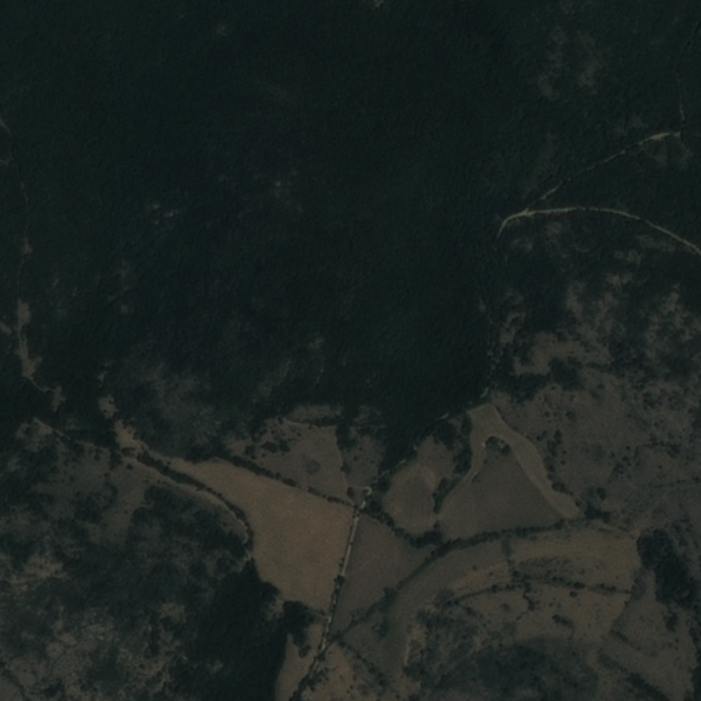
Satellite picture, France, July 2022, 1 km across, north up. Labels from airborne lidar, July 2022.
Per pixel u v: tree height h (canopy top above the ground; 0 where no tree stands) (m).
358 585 0
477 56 14
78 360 14
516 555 0
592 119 7
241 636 8
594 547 0
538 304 6
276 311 6
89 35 7
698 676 10
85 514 6
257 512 0
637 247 6
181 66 8
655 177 7
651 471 0
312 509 0
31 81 12
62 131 12
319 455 0
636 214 7
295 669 0
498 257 7
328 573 0
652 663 0
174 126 9
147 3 8
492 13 7
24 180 7
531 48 8
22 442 8
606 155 9
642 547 7
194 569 6
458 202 10
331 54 10
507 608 0
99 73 11
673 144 7
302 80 7
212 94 8
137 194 7
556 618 8
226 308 6
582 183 7
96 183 11
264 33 8
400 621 0
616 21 6
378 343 9
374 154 9
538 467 0
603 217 7
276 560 0
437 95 10
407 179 6
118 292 7
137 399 6
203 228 6
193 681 7
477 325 8
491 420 0
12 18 11
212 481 0
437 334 12
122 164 8
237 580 12
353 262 8
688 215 7
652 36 8
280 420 6
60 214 9
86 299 6
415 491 0
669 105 6
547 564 0
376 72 9
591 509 7
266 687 14
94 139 12
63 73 12
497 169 7
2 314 7
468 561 0
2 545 6
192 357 7
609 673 0
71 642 0
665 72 10
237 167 7
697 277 6
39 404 16
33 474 7
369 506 6
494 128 9
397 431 10
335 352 7
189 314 8
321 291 10
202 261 8
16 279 7
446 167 11
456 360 9
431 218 9
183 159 7
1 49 9
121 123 10
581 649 0
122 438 0
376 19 8
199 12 7
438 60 11
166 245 7
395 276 13
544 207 6
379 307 10
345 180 8
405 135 10
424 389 15
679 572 8
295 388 7
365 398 6
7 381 9
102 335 7
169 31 8
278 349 6
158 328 6
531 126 8
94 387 8
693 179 7
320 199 5
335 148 6
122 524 0
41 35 11
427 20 9
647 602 0
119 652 0
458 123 13
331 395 8
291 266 10
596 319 0
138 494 0
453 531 0
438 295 12
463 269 11
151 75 7
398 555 0
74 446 7
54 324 7
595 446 0
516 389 9
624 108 8
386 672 0
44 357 6
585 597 0
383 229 8
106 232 8
